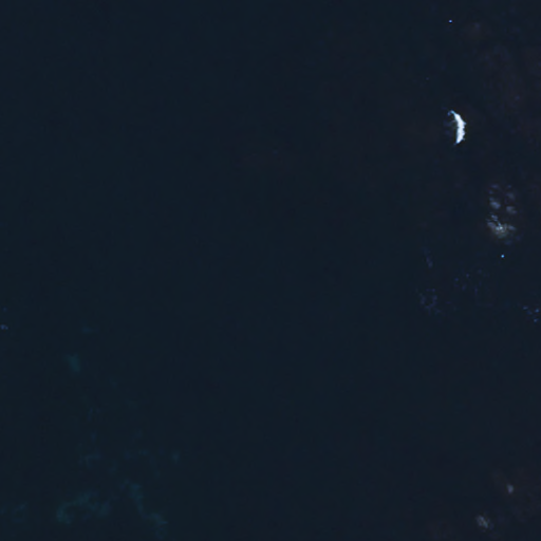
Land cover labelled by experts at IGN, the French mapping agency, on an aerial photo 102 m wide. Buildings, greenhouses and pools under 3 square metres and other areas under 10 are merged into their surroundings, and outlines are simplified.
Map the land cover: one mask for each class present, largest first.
<instances>
[{"label":"water","instance_id":"1","mask_svg":"<svg viewBox=\"0 0 541 541\"><path fill-rule=\"evenodd\" d=\"M0 541H541V0H0Z\"/></svg>","mask_w":541,"mask_h":541}]
</instances>
